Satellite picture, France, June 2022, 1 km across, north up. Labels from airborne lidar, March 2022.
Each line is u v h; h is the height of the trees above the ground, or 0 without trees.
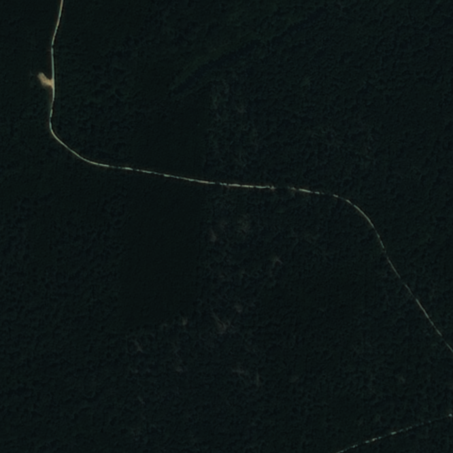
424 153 23
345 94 18
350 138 25
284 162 20
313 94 22
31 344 18
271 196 23
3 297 9
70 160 22
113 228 22
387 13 17
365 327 15
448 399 23
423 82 21
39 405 21
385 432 17
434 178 23
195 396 19
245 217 11
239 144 26
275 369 17
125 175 17
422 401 22
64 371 21
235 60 28
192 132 0
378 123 18
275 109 19
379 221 17
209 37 22
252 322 20
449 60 24
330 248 21
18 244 22
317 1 25
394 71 21
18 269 6
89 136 26
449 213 22
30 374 17
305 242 20
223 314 20
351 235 20
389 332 19
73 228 20
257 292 25
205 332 19
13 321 20
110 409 24
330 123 22
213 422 19
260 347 19
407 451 15
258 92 22
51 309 18
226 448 20
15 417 24
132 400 22
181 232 14
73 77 16
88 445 22
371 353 10
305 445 16
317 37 21
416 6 20
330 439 11
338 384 15
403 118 20
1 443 21
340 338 14
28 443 19
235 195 7
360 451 17
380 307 16
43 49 13
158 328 20
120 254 21
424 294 19
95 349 16
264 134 19
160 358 25
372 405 20
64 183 6
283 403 13
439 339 16
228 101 24
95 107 19
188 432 20
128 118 27
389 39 24
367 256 17
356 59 20
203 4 25
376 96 25
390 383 10
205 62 0
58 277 17
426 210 19
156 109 14
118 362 21
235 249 22
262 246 24
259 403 19
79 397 21
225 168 6
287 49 22
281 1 20
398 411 17
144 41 23
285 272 20
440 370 18
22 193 7
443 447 17
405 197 21
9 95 7
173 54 23
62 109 17
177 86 0
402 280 12
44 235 7
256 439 21
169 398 19
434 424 17
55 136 0
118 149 24
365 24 10
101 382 19
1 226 21
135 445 20
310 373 15
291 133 17
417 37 24
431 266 19
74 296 18
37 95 18
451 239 23
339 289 17
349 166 24
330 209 12
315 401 16
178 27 7
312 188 18
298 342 18
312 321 19
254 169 24
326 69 24
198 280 16
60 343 18
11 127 16
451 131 23
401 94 25
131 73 23
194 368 17
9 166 21
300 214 19
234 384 17
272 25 24
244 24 8
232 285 15
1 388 15
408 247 20
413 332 18
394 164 20
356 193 19
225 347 19
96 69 23
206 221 13
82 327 18
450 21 26
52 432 20
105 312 20
